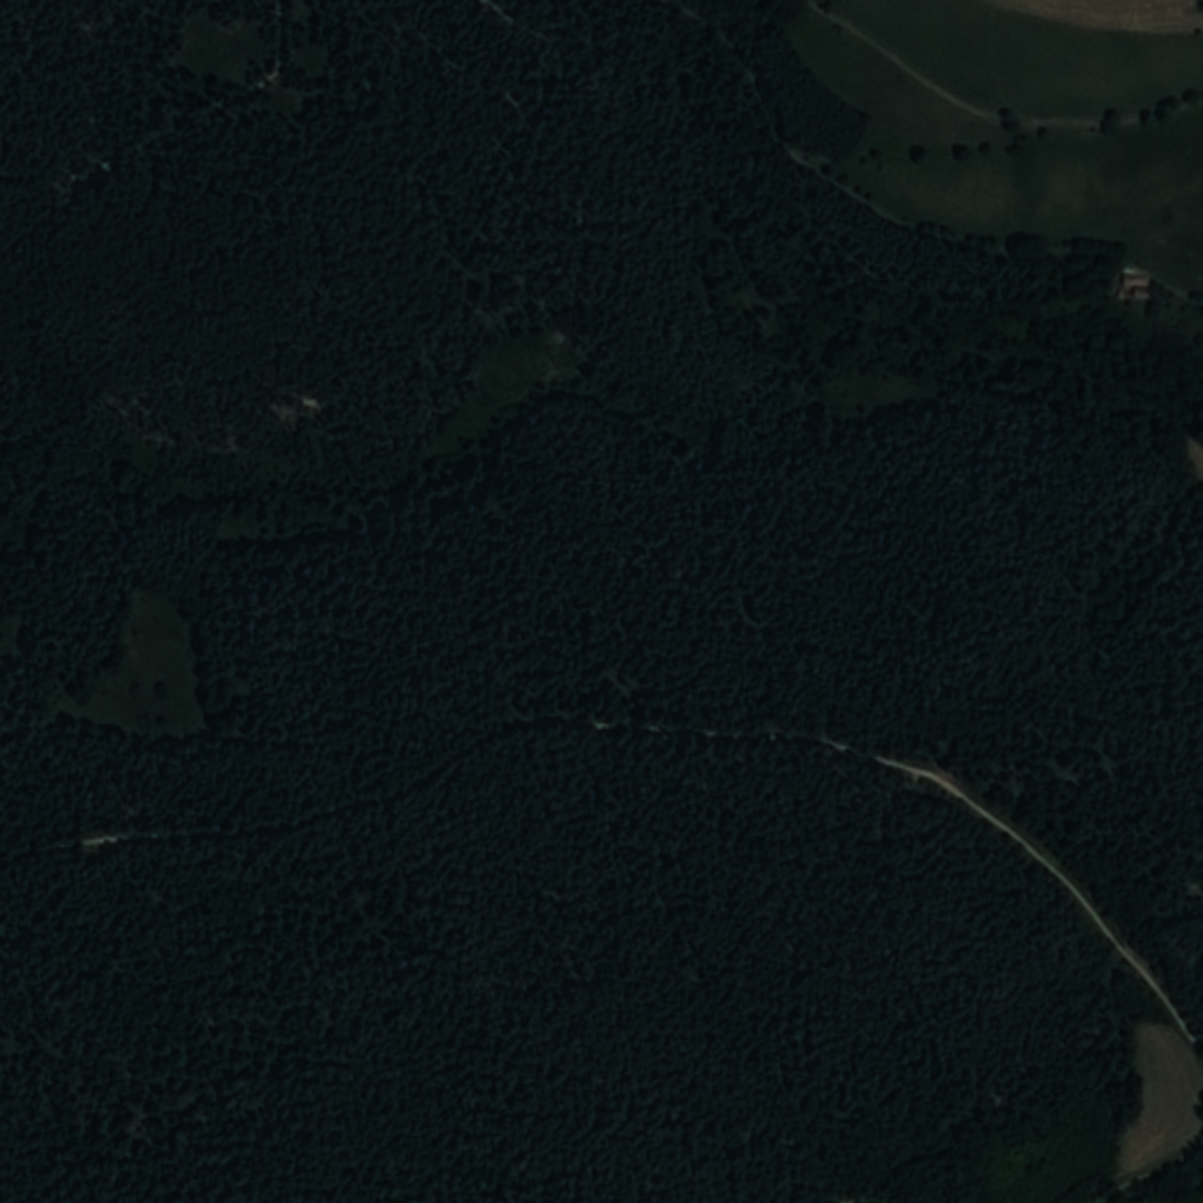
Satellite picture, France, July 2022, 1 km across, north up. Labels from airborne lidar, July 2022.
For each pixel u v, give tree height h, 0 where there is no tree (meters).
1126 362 17
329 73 8
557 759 26
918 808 26
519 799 21
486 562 24
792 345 12
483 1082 10
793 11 17
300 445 14
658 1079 22
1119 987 14
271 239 29
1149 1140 0
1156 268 0
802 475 28
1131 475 25
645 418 13
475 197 24
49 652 29
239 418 24
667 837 24
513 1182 7
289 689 25
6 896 28
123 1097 10
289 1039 10
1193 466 11
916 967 24
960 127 0
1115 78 0
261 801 24
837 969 20
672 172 34
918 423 28
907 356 10
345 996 20
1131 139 0
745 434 25
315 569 27
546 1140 23
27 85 27
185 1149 16
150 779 27
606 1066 20
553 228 29
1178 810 24
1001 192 0
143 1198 21
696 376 24
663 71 31
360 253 31
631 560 27
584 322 22
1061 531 25
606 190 29
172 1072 18
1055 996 22
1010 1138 16
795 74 26
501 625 29
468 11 22
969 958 26
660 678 24
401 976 24
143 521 35
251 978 15
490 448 19
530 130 32
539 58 25
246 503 29
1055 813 12
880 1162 17
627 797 23
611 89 29
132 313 23
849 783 25
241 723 16
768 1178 21
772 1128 25
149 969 21
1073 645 24
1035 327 14
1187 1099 0
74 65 26
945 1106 17
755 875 24
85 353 21
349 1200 22
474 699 25
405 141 26
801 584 19
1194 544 22
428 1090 15
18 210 25
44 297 22
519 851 20
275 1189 17
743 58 22
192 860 20
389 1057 19
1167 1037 0
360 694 25
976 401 22
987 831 23
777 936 24
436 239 34
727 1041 19
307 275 26
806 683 21
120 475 17
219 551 27
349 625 18
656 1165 23
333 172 27
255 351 22
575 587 25
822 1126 18
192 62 0
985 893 24
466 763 22
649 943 21
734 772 23
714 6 20
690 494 25
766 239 26
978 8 0
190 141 18
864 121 22
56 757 23
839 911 22
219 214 27
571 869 21
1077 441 27
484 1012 24
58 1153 22
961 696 20
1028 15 0
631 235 31
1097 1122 14
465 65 15
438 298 30
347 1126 24
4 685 27
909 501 25
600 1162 21
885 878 24
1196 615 32
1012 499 27
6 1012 17
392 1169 15
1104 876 15
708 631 22
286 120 19
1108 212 0
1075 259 16
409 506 40
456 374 15
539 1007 21
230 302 23
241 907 19
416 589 26
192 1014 22
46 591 23
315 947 17
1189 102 15
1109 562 11
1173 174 0
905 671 24
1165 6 0
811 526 27
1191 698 27
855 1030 14
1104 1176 12
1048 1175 14
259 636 25
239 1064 15
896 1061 10
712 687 26
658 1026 19
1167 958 23
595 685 13
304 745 17
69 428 26
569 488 22
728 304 8
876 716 21
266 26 7
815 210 28
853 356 18
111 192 30
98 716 0
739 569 25
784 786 26
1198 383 15
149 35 11
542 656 24
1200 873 13
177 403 25
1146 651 28
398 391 24
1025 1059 15
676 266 29
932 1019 23
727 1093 24
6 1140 23
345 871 25
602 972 20
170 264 28
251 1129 18
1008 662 24
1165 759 25
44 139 26
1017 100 0
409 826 24
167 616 0
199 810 28
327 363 23
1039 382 19
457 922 21
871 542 22
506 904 22
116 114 25
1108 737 26
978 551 24
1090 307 8
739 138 32
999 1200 16
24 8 27
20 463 25
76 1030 12
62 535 29
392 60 26
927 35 0
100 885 21
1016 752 18
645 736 28
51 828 20
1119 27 0
